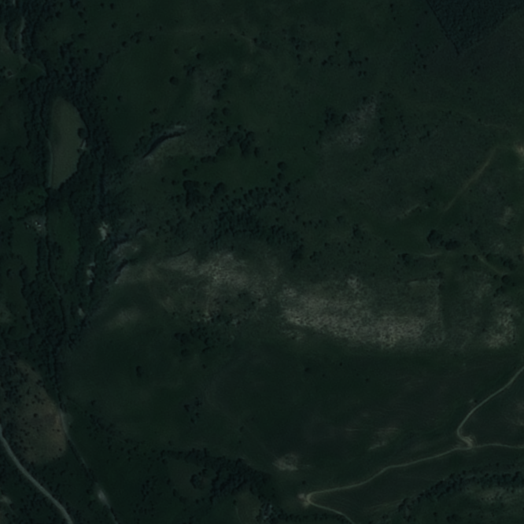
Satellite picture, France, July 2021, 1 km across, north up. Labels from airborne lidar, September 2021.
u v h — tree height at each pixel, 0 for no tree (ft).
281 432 0
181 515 0
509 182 0
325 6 0
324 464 0
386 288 0
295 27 0
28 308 43
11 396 57
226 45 0
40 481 46
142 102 0
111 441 24
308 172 0
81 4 71
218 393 0
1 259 21
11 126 0
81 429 0
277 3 0
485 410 0
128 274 0
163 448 0
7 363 55
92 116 74
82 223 26
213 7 0
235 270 0
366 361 0
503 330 0
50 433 0
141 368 59
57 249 39
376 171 0
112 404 0
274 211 0
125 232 0
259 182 0
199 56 44
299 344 0
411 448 0
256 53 0
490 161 0
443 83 0
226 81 35
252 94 0
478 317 0
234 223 46
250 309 24
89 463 0
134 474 0
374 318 0
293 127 0
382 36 0
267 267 0
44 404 24
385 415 0
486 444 0
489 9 44
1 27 0
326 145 0
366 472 0
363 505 0
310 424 0
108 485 0
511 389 0
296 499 0
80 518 50
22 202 0
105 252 21
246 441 0
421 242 0
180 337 50
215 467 54
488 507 0
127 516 0
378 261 0
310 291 0
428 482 0
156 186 0
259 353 0
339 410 0
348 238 0
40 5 63
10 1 38
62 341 63
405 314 0
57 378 63
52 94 64
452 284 0
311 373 27
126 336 0
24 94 40
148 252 0
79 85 74
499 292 29
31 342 68
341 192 0
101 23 0
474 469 33
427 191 32
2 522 0
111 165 28
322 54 0
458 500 0
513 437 0
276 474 0
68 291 38
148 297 0
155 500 0
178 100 0
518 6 45
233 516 0
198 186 53
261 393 0
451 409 0
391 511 0
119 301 0
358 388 0
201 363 0
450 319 0
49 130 53
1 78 48
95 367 0
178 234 24
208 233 30
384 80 0
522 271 0
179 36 0
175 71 0
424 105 0
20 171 36
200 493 0
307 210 0
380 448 0
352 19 0
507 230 33
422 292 0
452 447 0
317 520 35
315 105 0
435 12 35
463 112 0
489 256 43
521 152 0
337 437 0
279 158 0
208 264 0
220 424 0
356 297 0
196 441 0
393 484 0
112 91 0
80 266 27
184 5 0
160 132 24
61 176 0
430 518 0
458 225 26
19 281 0
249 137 40
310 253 0
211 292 0
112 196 23
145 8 0
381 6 0
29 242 0
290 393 0
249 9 0
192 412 43
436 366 0
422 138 27
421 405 0
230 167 0
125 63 0
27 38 36
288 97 0
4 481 42
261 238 31
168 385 0
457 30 49
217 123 40
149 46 0
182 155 0
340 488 0
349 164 0
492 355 0
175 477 0
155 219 0
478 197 0
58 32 0
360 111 26
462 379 0
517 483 50
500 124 0
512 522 0
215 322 43
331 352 0
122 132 0
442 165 0
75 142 0
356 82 0
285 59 0
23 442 34
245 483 48
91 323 26
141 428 0
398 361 0
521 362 0
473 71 28
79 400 0
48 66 69
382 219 0
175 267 0
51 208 58
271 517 32
